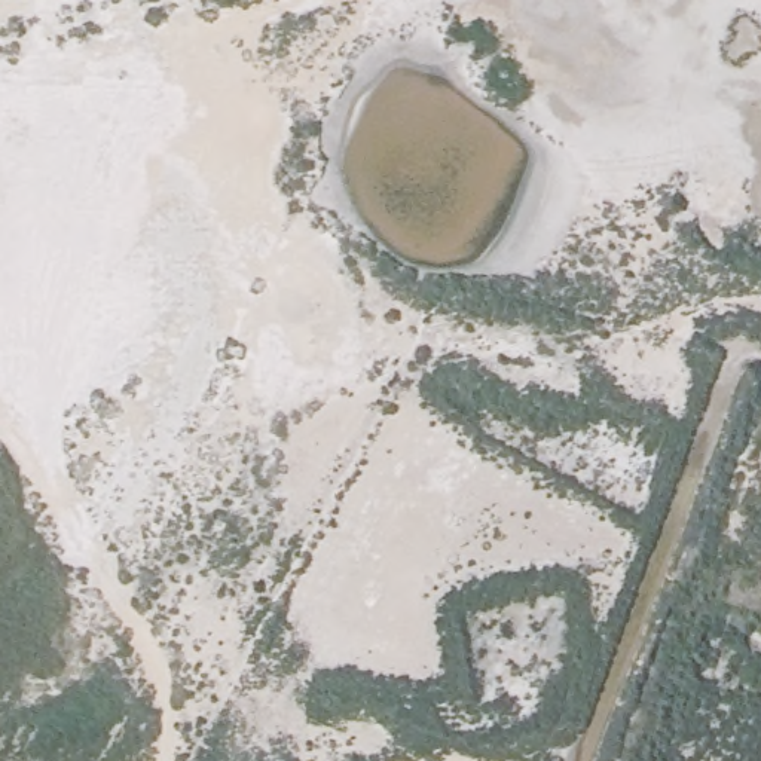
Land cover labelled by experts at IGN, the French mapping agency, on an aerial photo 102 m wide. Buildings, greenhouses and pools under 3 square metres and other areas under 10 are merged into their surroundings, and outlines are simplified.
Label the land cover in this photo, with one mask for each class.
<instances>
[{"label":"pervious surface","instance_id":"1","mask_svg":"<svg viewBox=\"0 0 761 761\"><path fill-rule=\"evenodd\" d=\"M342 0H265L253 9H223L217 21L208 24L199 18V0H0V446L15 458L24 482L33 490H39L48 502V511L54 514L59 532V559L65 565L86 568V583L98 586L107 595L113 612L131 630V645L143 660L146 681L155 687V707L161 710V737L155 761H175V755L184 752V740L175 731V722H190L196 716L217 722L223 707L232 710L229 734H235V746L241 752L262 749L265 761H375L372 755L389 743V731L378 722H309L300 702L306 699V684L318 669L357 666L375 675H407L419 681L440 675V600L446 598V592L464 586L467 580H485L499 571L550 565L577 568L592 583L595 618L606 621L621 592L627 565L636 556L633 535L627 529H618L612 520H600V511L595 505L556 496V490L547 488V479L541 473L496 470L490 461H482V455L473 452L470 434H464L458 425H446L440 413L422 407V375L410 372L407 363L413 360L419 345H428L434 354H440V363H461L464 357H476L488 372H493L502 381H511L514 386L538 383L559 392H580V381L568 351L556 357L538 354L532 327H488L485 321L470 315L455 324L446 315H437L434 309H413L407 300H398L381 288L372 262L366 259L360 262L363 285H354L345 268L339 244L345 238H354L360 244H369L372 238L366 226L357 217L342 184V158L383 71L392 65H419L449 77L479 107L499 116L526 140L529 172L505 229L485 250V256L461 268H419V279L452 273L532 276L538 271H562L565 276L598 273L615 282V303L627 309L636 291L642 288L651 262L672 259L681 223L696 220L713 247H722L725 229H734L749 220L758 226L761 244V0H354L357 12L351 24L318 18L315 30L300 33L285 56H259V36L265 24H279L288 12L303 15L315 6H339ZM461 21L493 24L499 45L490 54L473 59V45L446 42L449 27ZM502 56L517 59L520 71L532 80V95L520 107H505V98H496L485 86V71L490 68V62H499ZM306 119L321 122V137H309L306 143V158L312 161V169L306 172L303 190L282 193L273 181V172L279 166L282 149L291 143V125ZM226 339L247 342V360H238L241 378H223L217 395L208 401L202 428L211 431V446L226 434L271 425L265 416L250 413L259 404L271 407L279 416L315 398L321 401V410L303 419L300 425L288 428L285 452H276L273 467H265V455H241L238 479L229 488H211L208 493H199L202 502L217 499L223 505V499H232V511L244 517L250 526L276 523V532L268 547H259L250 556V565L241 568V577H220L217 571L211 577H202L208 553H199L193 562L181 565L178 583H169L161 595L163 606H178V615L166 618L163 630L152 636L146 615L131 606V598L140 589L131 583H119V568L113 559V550H119V544L104 547L101 532L110 535L119 526H134V511L140 508V499L152 490V482L158 476L161 482H169L175 470L187 464L184 440L178 437V431L184 428V413H193L199 407L211 372L220 366L217 351ZM92 452H101V464L92 470V496H83L68 479V461H77L80 455ZM360 458H369V467L345 496L336 523L330 520L336 490L354 473ZM291 535H300V550L312 553V568L297 583L288 609L291 624L282 630V642H303L309 648V657L297 672L282 678L273 657H250L265 633L253 630L247 636L241 618L247 609H259L256 583L276 571V559L285 553ZM169 642H181L184 663H202L208 681H214L217 687V702H202L196 696L181 710L172 707V672L166 651ZM737 309L761 312V294H731L705 303L699 294H693L690 303L678 306L669 315L642 321L636 327L612 333L609 339L592 336L589 345L595 348V357L603 366L618 386H624L627 395L642 401H663L672 416H684L690 369L684 363V345L693 336L696 318ZM761 363V345L743 336L725 342L722 372L716 378L705 419L696 431L687 473L678 485L672 511L663 526V538L651 556L648 577L642 583L636 609L624 630L606 690L598 702L589 731L574 743L553 749V758L562 761H598L612 713L624 705V687L630 678L642 672V663L651 651L654 630L648 627L654 612L660 609V598L690 571L693 559L699 556L696 547H687L681 538L687 532L699 488L705 485V476L713 464L722 428L728 422L734 386L746 363ZM488 434L505 440L508 446H520L523 437L532 434V428H508L505 422L493 419ZM538 458L556 464L562 473L592 488H600L606 496L630 508H642L651 493L657 455H645L642 446L621 443L615 437V428L598 422L586 431H562L556 437L541 440ZM470 639L473 663L485 672L482 693L488 702L505 693L514 696L520 713L526 716H532L538 707V690L508 672V660L526 663L529 657H559L565 642L562 598H538L535 606L508 603L499 609L476 612L470 618Z\"/></svg>","mask_w":761,"mask_h":761},{"label":"brushwood","instance_id":"2","mask_svg":"<svg viewBox=\"0 0 761 761\"><path fill-rule=\"evenodd\" d=\"M265 0H199V18L208 24L217 21L223 9H253ZM357 12L354 0H342L339 6H315L303 15L288 12L279 24H265L259 36V56H285L300 33L315 30L318 18L351 24ZM446 42L473 45V59L490 54L499 45L493 24L461 21L449 27ZM485 86L496 98H505V107H520L532 95V80L520 71L517 59L502 56L499 62H490V68L485 71ZM309 137H321V122L306 119L291 125V143L282 149L279 166L273 172V181L282 193L303 190L306 172L312 169V161L306 158V143ZM372 238L369 244H360L357 253H363L366 259L372 262L381 288L398 300H407L413 309H434L437 315H446L455 324L470 315L485 321L488 327H532L547 333L583 327L592 336L609 339L612 333L636 327L642 321L669 315L678 306L690 303L693 294H699L705 303L731 294H761V244L758 226L749 220L734 229H725L722 247H713L696 220L681 223L672 259L651 262L642 288L636 291L627 309L615 303V282L598 273L565 276L562 271H538L532 276L452 273L419 279V268H434L437 259H416L398 253L375 223L366 226ZM743 336L761 345V312L737 309L696 318L693 336L684 345V363L690 369L684 416H672L663 401H642L627 395L624 386H618L603 366L580 381V392H559L538 383L514 386L511 381H502L493 372H488L476 357H464L461 363H440V354H434L428 345H419L413 360L407 363L410 372L422 375V407L440 413L446 425H458L464 434H470L473 452L482 455V461H490L496 470L541 473L547 479V488L556 490V496L595 505L600 511V520H612L618 529H627L633 535L636 556L627 565L621 592L606 621L595 618L592 583L577 568L550 565L499 571L485 580H467L464 586L446 592V598L440 600V675L419 681L407 675H375L357 666L318 669L306 684V699L300 702L309 722H378L389 731V737L404 743L419 761H562L553 758V749L574 743L589 731L598 702L606 690L624 630L636 609L642 583L648 577L651 556L663 538V526L672 511L678 485L687 473L696 431L705 419L716 378L722 372L725 342ZM493 419L505 422L508 428H532V434L523 437L520 446H508L505 440L488 434ZM598 422L615 428V437L621 443L642 446L645 455H657L651 493L642 508H630L606 496L600 488H592L562 473L556 464L538 458L541 440L556 437L562 431H586ZM538 598H562L565 642L559 657L562 669L550 675L538 690V707L532 716H526L511 728L490 725L482 731H461L446 725L440 702H467L482 693L485 672L473 663L470 639V618L476 612L499 609L508 603L535 606ZM220 366L211 372L199 407L193 413H184V428L178 431V437L184 440L187 464L175 470L169 482H161L158 476L152 482V490L140 499V508L134 511V526H119L110 535L101 532L104 547L119 544V550H113V559L119 568V583H131L140 589L131 598V606L146 615L152 636L163 630L166 618L178 615V606H163L161 595L169 583H178L181 565L193 562L199 553H208L202 577H211L217 571L220 577H241V568L250 565V556L259 547H268L276 532V523L250 526L244 517L232 511V499H223V505L217 499L202 502L199 493H208L211 488H229L238 479L241 455H265V467H273L276 452H285L288 428L300 425L303 419L321 410V401L315 398L279 416L271 407L259 404L250 413L265 416L271 425L226 434L211 446V431L202 428L208 401L217 395L223 378H241L238 360H247V342L226 339L217 351ZM761 416V363H746L734 386L728 422L722 428L713 464L705 476V485L699 488L687 532L681 538L687 547H696L699 556L693 559L690 571L660 598V609L654 612L648 627L654 630L651 651L642 663V672L630 678L624 687V705L612 713L598 761H761V648H755L752 639L740 633L734 624H725V615L731 606L728 592L734 568L740 571L746 589L761 586V490H746V508L740 514L731 511V482L737 473V458L746 449L749 434ZM59 532L54 514L48 511V502L39 490H33L24 482L15 458L0 446V761H155L161 737V710L155 707V687L146 681L143 660L131 645V630L113 612L107 595L98 586L86 583V568L65 565L59 559ZM101 464V452H92L80 455L77 461H68V479L83 496H92V470ZM369 467V458H360L354 473L336 490L330 520L336 523L345 496ZM312 568V553L300 550V535H291L285 553L276 559V571L256 583L259 609H247L241 618L247 636L253 630L265 633L250 657H273L282 678L297 672L309 657V648L303 642H282V630L291 624L288 609L297 583ZM166 651L172 672V707L181 710L196 696L202 702H217V687L214 681H208L202 663H184L181 642H169ZM175 731L184 740V752L175 755V761H265L262 749L241 752L235 746V734H229L232 710L223 707L217 722L196 716L190 722H175Z\"/></svg>","mask_w":761,"mask_h":761},{"label":"water","instance_id":"3","mask_svg":"<svg viewBox=\"0 0 761 761\"><path fill-rule=\"evenodd\" d=\"M529 172L526 140L499 116L479 107L449 77L419 65H392L383 71L342 158V184L357 217L366 226L375 223L398 253L416 259H437L434 268H461L485 256V250L505 229Z\"/></svg>","mask_w":761,"mask_h":761},{"label":"herbaceous vegetation","instance_id":"4","mask_svg":"<svg viewBox=\"0 0 761 761\"><path fill-rule=\"evenodd\" d=\"M360 244L354 238H345L339 244L345 268L354 285H363L360 262L366 259L363 253H357ZM592 336L583 327L547 333L532 327L538 354L556 357L568 351L580 381L603 366L595 357V348L589 345ZM731 511L740 514L746 508V490H761V416L749 434L746 449L737 458V473L731 482ZM731 606L725 615V624H734L740 633L752 639L755 648H761V586L746 589L740 571L734 568L728 592ZM562 669L559 657H529L526 663L508 660V672L538 690L550 675ZM446 725L461 731H482L490 725L511 728L526 716L520 713L514 696L505 693L488 702L482 693L467 702H440ZM375 761H419L404 743L389 737V743L372 755Z\"/></svg>","mask_w":761,"mask_h":761}]
</instances>
